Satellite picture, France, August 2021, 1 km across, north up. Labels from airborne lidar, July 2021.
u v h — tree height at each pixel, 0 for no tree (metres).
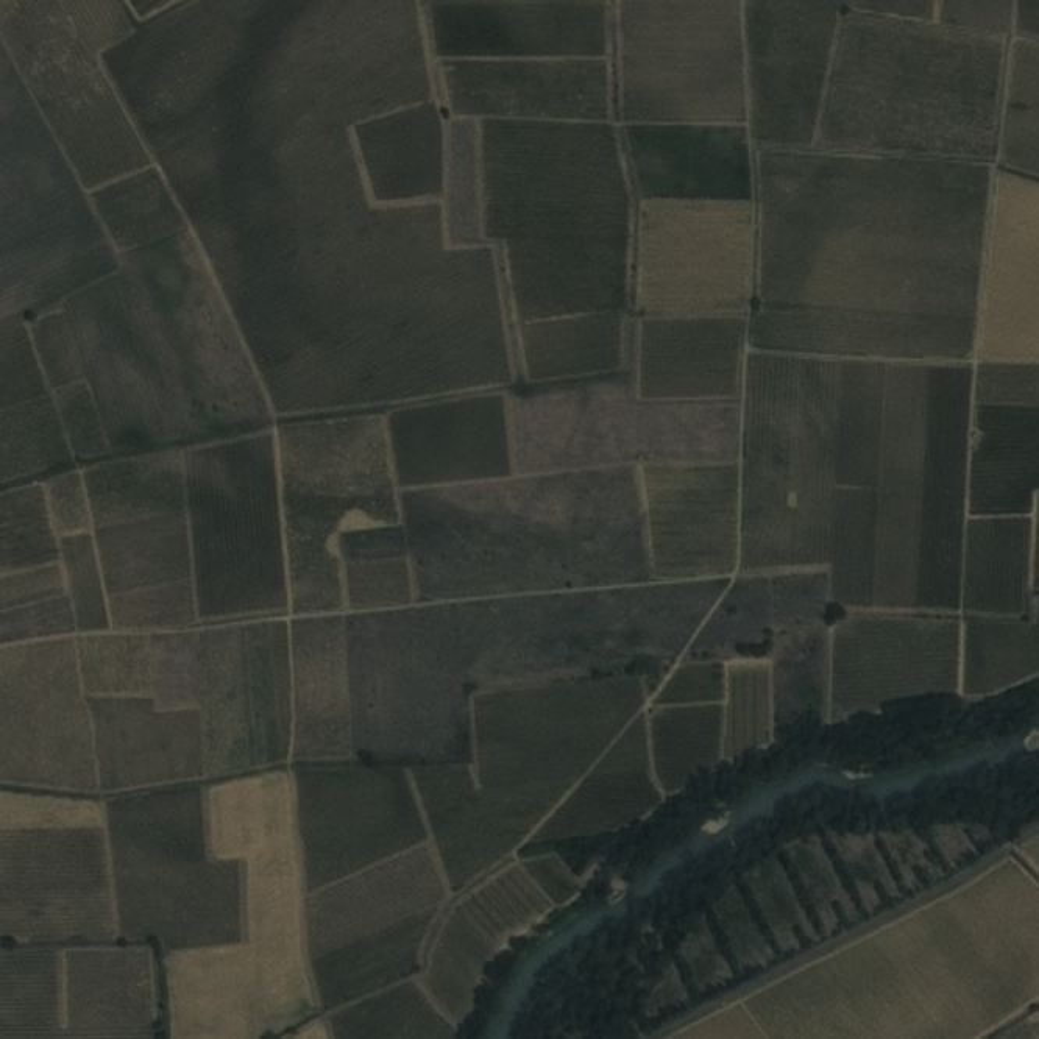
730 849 19
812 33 0
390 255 0
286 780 0
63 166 0
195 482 0
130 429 0
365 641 0
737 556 0
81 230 0
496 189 0
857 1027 0
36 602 0
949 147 0
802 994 0
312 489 0
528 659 0
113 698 0
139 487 0
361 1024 0
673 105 0
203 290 0
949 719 19
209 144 0
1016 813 17
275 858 0
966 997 0
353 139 0
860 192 0
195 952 0
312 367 0
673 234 0
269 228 0
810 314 0
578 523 0
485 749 0
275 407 0
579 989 13
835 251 0
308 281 0
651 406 0
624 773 0
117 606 0
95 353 0
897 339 0
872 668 0
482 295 0
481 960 0
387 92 0
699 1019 0
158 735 0
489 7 0
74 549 0
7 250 0
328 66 0
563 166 0
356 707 0
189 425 0
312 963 0
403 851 0
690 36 0
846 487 0
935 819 14
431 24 0
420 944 0
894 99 0
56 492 0
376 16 0
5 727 0
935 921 0
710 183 0
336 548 0
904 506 0
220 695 0
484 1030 21
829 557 0
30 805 0
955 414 0
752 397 0
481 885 0
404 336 0
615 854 10
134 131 0
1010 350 0
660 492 0
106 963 0
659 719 0
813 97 0
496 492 0
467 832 0
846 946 0
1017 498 0
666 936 8
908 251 0
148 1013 0
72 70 0
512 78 0
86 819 0
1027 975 0
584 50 0
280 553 0
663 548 0
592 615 0
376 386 0
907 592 0
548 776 0
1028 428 0
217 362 0
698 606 0
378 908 0
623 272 0
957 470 0
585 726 0
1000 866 0
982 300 0
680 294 0
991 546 0
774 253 0
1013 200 0
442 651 0
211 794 0
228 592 0
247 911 0
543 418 0
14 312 0
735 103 0
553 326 0
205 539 0
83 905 0
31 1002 0
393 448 0
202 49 0
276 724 0
